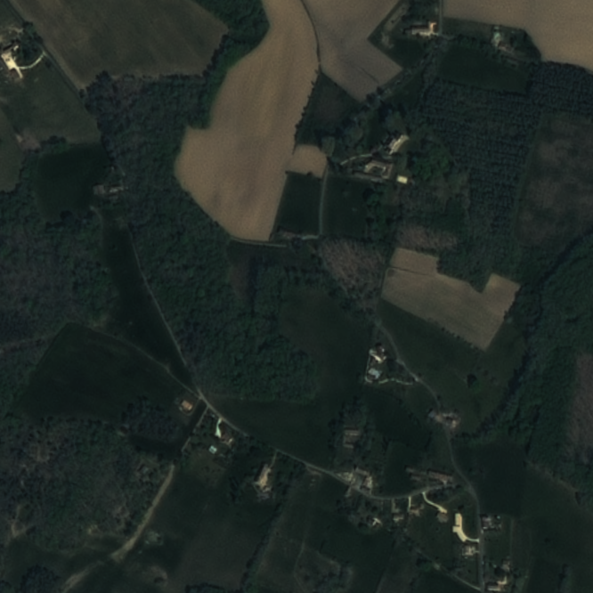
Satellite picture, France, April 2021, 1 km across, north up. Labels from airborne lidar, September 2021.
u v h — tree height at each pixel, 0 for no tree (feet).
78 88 0
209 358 62
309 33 0
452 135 52
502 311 0
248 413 0
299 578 0
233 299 71
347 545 0
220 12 55
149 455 52
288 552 0
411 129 51
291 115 0
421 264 0
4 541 50
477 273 47
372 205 57
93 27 0
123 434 0
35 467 24
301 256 73
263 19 51
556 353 51
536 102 61
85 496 74
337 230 0
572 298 66
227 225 0
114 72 0
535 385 78
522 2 0
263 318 39
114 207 22
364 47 0
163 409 0
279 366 69
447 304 0
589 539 0
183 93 60
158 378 0
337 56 0
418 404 0
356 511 22
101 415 0
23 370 54
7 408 55
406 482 0
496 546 0
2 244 55
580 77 53
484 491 0
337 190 0
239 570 0
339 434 32
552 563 0
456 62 0
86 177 0
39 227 58
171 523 0
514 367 0
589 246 70
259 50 0
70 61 0
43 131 0
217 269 67
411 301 0
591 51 0
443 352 0
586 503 59
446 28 0
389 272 0
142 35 0
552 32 0
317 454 0
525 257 38
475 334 0
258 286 103
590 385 71
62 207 0
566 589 46
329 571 0
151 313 0
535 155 0
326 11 0
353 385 0
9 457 29
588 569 0
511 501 0
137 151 56
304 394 71
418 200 43
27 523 35
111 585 0
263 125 0
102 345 0
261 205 0
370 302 42
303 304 0
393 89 23
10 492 39
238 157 0
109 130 54
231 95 0
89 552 0
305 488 0
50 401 0
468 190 36
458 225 37
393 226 61
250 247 22
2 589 60
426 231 54
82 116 0
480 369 29
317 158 0
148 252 37
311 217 0
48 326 53
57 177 0
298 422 0
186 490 0
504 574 35
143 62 0
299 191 0
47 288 37
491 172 48
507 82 0
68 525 60
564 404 60
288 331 0
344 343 0
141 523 69
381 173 19
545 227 0
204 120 62
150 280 32
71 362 0
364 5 0
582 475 67
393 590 0
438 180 50
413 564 0
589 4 0
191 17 0
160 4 0
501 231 57
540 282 26
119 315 0
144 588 0
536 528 0
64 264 63
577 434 80
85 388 0
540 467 54
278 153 0
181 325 41
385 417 0
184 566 0
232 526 0
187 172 0
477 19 0
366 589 0
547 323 60
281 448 0
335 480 0
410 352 0
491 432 58
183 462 43
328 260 56
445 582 0
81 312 65
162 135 79
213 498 0
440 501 29
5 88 0
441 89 34
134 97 52
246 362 79
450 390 0
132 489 50
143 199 53
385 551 0
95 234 64
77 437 47
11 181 0
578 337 61
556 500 0
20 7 0
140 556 0
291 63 0
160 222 63
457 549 0
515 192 57
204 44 0
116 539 0
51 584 24
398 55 0
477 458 0
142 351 0
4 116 0
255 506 0
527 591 0
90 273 68
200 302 49
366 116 45
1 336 64
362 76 0
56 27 0
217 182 0
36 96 0
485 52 39
